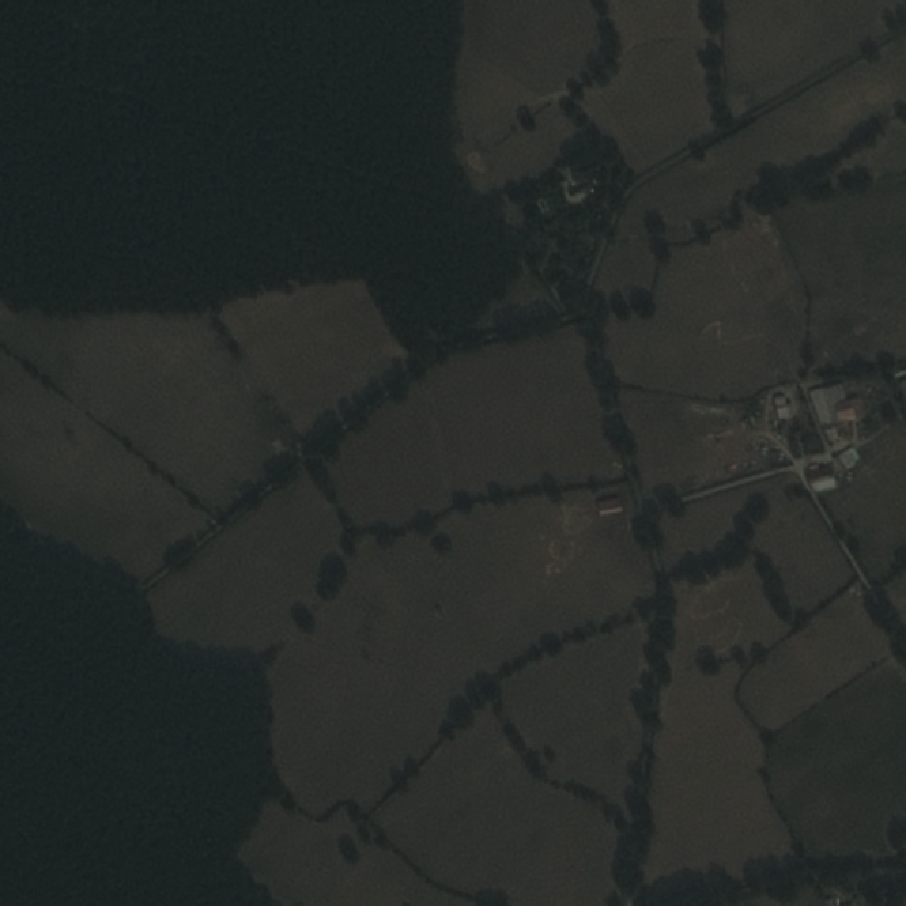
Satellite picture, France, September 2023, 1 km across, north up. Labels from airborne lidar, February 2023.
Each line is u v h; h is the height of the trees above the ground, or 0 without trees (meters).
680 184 0
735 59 0
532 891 0
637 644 0
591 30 0
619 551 0
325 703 0
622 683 0
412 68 26
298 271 25
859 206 0
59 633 32
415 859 0
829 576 0
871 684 0
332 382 0
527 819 0
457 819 0
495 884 0
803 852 13
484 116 0
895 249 0
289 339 0
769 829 0
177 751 31
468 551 0
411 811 0
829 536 0
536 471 0
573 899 0
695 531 0
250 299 0
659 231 10
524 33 0
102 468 0
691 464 0
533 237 10
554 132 0
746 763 0
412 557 0
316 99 29
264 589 0
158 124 27
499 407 0
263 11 30
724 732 0
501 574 0
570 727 0
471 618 0
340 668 0
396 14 28
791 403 0
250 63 29
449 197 24
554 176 13
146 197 25
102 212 23
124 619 32
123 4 25
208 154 26
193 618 0
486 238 25
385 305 23
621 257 0
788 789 0
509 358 0
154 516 0
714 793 0
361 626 0
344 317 0
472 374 0
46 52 27
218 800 29
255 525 0
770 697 0
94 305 24
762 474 0
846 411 0
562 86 0
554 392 0
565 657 0
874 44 12
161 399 0
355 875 0
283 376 0
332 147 28
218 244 24
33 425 0
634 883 16
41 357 0
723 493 0
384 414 0
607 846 0
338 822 0
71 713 33
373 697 0
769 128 0
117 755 31
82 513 0
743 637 0
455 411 0
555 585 0
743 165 0
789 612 11
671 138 0
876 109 0
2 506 11
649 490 0
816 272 0
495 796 0
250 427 0
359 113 28
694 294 0
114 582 14
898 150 0
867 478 0
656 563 0
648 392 0
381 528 10
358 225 27
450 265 25
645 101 0
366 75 29
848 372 9
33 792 30
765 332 0
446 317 24
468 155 0
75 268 27
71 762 31
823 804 0
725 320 0
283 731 0
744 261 0
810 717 0
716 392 0
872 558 0
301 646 0
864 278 0
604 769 0
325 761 0
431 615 0
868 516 0
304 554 0
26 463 0
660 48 0
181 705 34
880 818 0
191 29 31
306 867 0
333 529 0
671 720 0
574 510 0
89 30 24
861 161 0
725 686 0
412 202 27
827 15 0
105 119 26
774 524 0
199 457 0
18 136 25
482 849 0
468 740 0
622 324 0
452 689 0
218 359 0
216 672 29
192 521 0
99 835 29
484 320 0
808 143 0
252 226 28
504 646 0
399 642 0
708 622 0
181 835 28
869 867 18
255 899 29
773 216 0
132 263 27
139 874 27
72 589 32
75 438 0
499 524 0
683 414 0
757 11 0
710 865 0
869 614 16
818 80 0
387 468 0
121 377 0
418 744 0
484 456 0
